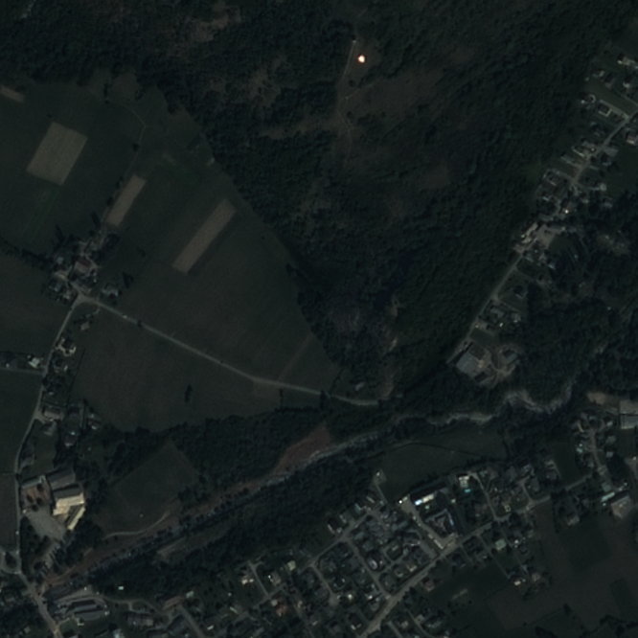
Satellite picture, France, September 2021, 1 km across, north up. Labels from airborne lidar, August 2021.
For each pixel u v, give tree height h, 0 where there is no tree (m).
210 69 14
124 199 0
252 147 11
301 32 14
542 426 12
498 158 10
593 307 12
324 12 12
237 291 0
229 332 0
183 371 0
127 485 0
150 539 7
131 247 0
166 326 0
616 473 18
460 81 5
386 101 0
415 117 10
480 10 17
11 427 0
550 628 0
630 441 0
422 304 16
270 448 10
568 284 20
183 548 0
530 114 24
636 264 11
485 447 0
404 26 15
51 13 17
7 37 27
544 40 16
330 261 16
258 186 17
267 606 6
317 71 9
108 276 0
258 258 0
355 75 0
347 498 15
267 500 10
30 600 8
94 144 0
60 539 0
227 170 13
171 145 0
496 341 0
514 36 14
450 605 6
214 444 13
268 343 0
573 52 6
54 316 0
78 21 14
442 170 0
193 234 0
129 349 0
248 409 0
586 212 12
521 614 0
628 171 0
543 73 17
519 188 21
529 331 27
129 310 0
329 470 14
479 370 0
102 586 14
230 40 15
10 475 0
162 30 11
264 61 8
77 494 0
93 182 0
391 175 9
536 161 21
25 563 9
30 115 0
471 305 18
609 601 0
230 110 10
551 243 0
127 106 0
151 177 0
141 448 17
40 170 0
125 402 0
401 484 0
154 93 0
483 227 19
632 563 0
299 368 0
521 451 19
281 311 0
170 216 0
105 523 0
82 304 0
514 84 16
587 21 16
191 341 0
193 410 0
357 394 8
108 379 0
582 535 0
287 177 13
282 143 7
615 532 0
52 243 0
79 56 22
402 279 8
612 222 21
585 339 20
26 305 0
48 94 0
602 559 0
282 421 14
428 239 27
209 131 7
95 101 0
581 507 7
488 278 22
